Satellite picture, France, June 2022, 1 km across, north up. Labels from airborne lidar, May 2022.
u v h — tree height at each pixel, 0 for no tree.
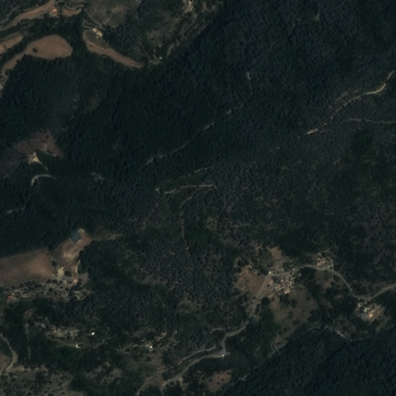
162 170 14
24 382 6
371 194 7
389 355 10
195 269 23
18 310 7
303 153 17
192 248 10
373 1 6
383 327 13
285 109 8
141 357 10
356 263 8
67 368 18
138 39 6
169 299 12
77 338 10
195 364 7
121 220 14
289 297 14
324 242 6
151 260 22
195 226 10
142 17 19
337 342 7
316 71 15
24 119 11
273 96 16
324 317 20
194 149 15
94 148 23
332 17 28
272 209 7
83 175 13
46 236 16
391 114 16
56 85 18
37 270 0
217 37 14
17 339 8
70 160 20
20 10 7
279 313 0
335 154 18
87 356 12
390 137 15
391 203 9
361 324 11
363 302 13
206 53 31
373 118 16
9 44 0
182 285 28
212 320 6
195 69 24
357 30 8
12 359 0
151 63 6
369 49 9
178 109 11
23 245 18
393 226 10
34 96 15
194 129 18
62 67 15
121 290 8
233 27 8
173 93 15
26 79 17
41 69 17
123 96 10
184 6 10
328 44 10
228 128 15
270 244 17
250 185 24
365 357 36
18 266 0
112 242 14
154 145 18
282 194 11
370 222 21
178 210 8
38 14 0
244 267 10
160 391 6
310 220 15
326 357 7
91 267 9
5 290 8
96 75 7
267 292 0
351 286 6
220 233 20
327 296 9
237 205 8
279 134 19
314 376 12
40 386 14
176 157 14
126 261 8
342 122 17
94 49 0
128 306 18
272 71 10
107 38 14
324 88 13
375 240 10
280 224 10
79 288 8
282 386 14
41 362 7
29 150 0
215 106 15
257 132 17
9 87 10
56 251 0
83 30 7
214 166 16
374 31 8
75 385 10
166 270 24
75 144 29
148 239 8
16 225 27
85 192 21
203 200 8
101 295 17
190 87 9
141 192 22
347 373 24
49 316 12
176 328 9
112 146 23
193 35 6
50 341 10
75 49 10
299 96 9
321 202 7
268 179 27
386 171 8
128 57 18
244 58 18
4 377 9
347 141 16
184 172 12
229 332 20
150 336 12
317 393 36
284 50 21
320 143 14
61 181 14
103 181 10
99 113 18
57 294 6
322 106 16
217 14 12
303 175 9
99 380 7
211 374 8
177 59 18
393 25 8
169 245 17
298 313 0
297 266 8
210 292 22
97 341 7
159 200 17
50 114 15
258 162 20
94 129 25
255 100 20
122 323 13
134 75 20
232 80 10
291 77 14
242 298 13
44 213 14
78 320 22
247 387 14
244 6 10
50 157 16
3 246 25
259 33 17
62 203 18
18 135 16
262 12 12
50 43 0
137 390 22
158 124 19
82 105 10
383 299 12
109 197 11
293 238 18
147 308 21
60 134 9
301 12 11
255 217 8
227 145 16
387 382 14
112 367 8
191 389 12
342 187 11
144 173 15
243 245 20
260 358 9
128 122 19
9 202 15
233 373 7
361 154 14
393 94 7
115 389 10
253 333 12
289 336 11
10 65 0
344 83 16
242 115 10
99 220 18
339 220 10
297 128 10
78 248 0
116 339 12
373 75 14
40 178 10
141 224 17
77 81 6
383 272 11
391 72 12
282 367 14
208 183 19
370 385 14
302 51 18
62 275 0
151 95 14
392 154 15
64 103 16
